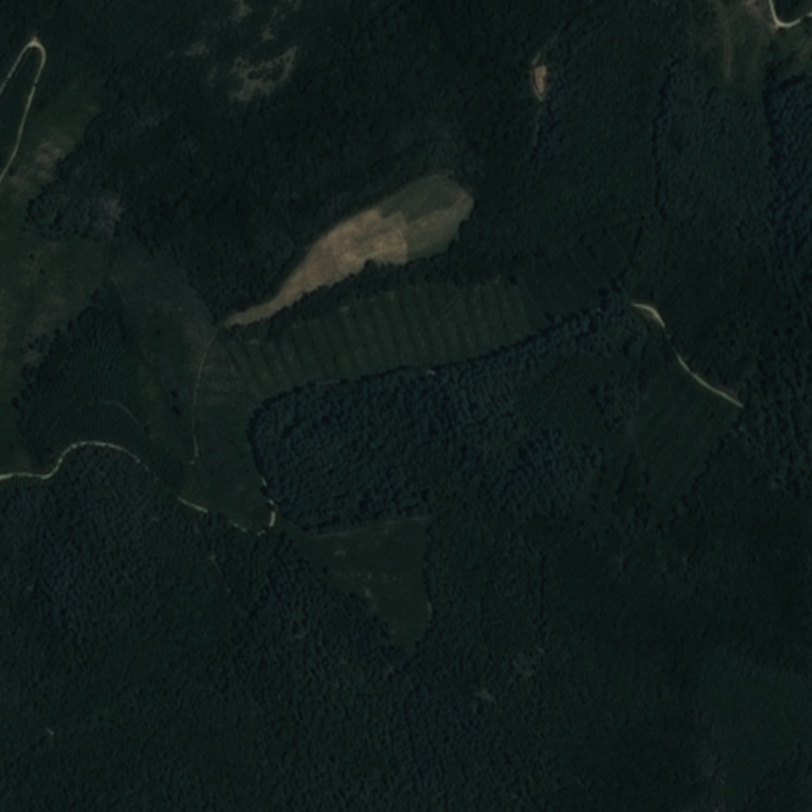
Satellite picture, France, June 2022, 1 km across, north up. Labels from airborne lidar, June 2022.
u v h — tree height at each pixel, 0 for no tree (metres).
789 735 8
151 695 9
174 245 16
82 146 16
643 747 13
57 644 18
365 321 0
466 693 16
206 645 18
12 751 15
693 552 13
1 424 0
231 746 21
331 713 21
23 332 0
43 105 7
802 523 24
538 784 12
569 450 25
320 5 6
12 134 8
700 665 8
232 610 15
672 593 14
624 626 9
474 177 6
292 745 13
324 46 11
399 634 0
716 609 14
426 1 18
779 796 15
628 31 13
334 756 14
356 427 30
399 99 16
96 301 26
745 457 20
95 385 9
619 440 9
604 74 15
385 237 0
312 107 15
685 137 30
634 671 13
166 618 15
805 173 32
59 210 27
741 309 19
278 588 22
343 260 0
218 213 21
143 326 0
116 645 13
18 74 7
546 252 18
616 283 6
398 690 23
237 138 16
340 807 22
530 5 9
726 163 35
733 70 0
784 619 19
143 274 0
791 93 28
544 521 15
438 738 23
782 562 20
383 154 7
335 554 0
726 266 21
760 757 7
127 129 22
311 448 30
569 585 13
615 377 21
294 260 12
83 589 14
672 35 15
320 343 0
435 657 15
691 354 15
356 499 32
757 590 20
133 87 10
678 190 30
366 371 0
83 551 22
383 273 11
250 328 14
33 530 20
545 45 7
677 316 20
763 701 7
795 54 7
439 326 0
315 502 31
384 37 21
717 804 14
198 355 0
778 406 11
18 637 23
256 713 25
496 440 32
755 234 35
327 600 20
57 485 10
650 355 15
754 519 22
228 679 25
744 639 11
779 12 15
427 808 19
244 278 9
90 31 8
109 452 14
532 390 7
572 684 14
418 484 20
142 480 15
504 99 10
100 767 12
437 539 12
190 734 21
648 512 17
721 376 23
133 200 32
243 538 21
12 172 13
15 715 16
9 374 0
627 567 12
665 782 16
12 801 13
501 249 17
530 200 16
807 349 20
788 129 32
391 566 0
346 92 21
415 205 0
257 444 32
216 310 11
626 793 22
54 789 12
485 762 25
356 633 19
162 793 14
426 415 22
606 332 27
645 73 12
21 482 8
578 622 14
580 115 14
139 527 10
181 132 20
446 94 12
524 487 34
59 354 22
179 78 15
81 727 16
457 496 18
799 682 8
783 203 34
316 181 15
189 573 15
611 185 12
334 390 22
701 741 13
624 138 16
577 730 15
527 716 8
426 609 0
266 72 6
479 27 10
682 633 12
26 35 10
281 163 12
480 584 13
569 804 13
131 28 19
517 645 10
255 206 16
